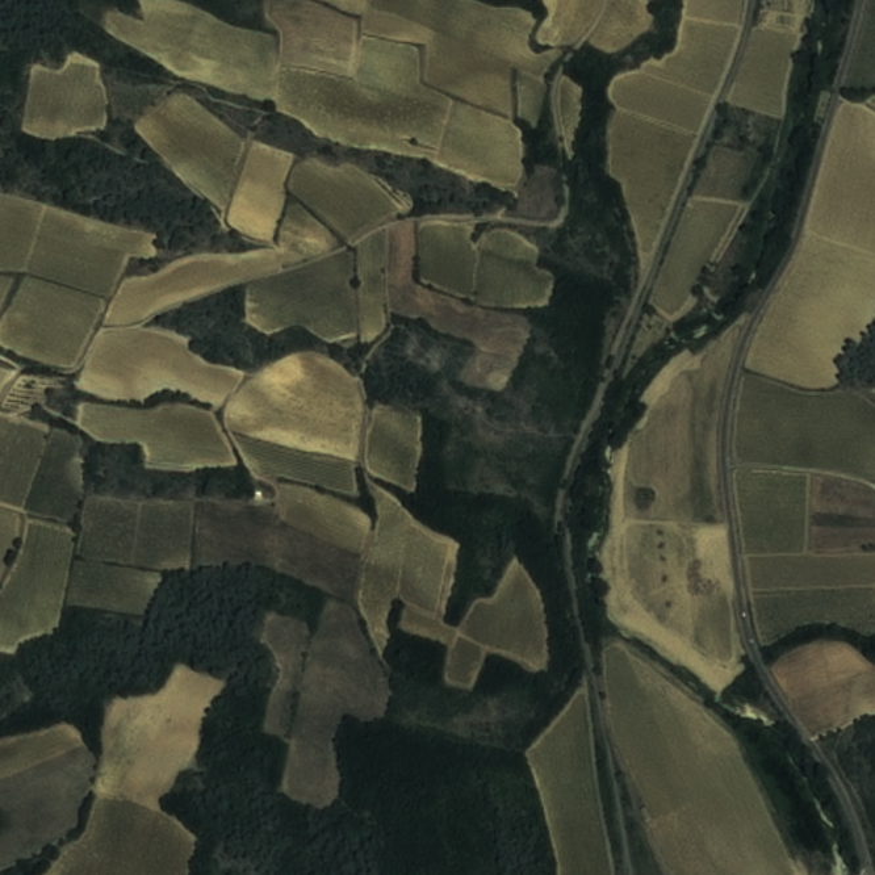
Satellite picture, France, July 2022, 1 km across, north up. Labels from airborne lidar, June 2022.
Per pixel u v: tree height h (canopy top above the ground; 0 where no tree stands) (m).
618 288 8
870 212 0
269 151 0
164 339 0
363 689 0
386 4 0
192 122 0
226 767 10
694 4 0
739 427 0
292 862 8
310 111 0
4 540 0
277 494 0
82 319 0
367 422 0
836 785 0
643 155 0
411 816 8
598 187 11
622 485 0
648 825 0
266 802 15
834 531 0
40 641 9
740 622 0
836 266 0
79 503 8
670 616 0
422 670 14
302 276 0
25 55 9
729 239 0
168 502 0
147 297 0
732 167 0
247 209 0
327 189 0
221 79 0
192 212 18
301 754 0
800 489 0
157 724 0
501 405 7
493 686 11
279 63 0
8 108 12
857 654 0
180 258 0
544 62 0
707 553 0
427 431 9
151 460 0
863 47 0
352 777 18
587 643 11
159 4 0
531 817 10
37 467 0
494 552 6
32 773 0
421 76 0
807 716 0
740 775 0
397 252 0
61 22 10
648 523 0
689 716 0
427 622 0
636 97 0
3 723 11
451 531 9
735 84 0
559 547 13
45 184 13
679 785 0
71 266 0
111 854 0
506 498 12
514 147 0
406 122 0
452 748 12
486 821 7
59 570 0
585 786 0
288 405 0
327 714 0
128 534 0
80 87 0
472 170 0
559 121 0
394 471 0
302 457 0
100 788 0
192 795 12
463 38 0
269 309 0
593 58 7
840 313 0
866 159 0
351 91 0
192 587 7
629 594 0
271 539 0
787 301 0
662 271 0
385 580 0
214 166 0
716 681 0
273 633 0
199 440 0
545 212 0
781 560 0
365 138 0
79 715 10
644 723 0
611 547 0
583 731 0
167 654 14
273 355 12
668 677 0
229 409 0
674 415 0
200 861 10
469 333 0
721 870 0
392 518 0
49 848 10
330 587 0
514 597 0
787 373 0
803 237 0
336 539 0
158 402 6
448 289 0
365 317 0
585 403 7
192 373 0
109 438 0
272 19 0
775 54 0
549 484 7
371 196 0
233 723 6
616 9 0
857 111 0
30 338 0
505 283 0
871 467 0
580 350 10
